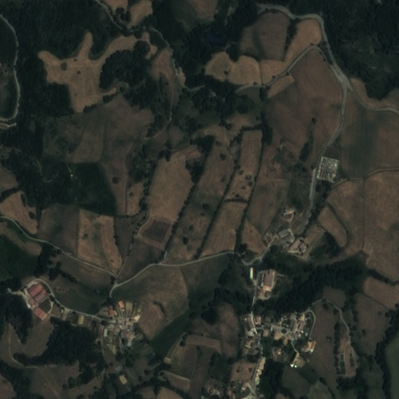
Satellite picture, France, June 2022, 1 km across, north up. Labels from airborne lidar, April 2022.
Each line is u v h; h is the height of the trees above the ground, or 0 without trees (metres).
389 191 0
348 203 0
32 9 14
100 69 0
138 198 0
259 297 0
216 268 0
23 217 0
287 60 0
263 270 10
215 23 9
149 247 0
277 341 7
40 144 10
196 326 0
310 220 9
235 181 0
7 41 8
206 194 0
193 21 0
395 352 0
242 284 0
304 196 0
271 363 19
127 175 0
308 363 0
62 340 16
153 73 0
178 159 0
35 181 6
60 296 0
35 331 0
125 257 0
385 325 0
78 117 0
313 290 15
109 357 0
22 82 7
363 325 0
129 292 0
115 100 0
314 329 0
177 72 0
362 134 0
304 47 0
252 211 0
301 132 0
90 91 0
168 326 0
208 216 0
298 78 0
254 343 0
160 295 0
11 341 0
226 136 0
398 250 0
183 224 0
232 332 0
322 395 0
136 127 0
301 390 0
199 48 19
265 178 0
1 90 0
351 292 14
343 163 0
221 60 0
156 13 14
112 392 0
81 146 0
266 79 0
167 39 13
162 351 0
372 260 0
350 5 8
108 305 8
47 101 12
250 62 0
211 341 0
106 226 0
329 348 0
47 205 8
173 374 0
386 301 0
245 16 16
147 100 15
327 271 14
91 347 7
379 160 0
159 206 0
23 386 14
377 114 0
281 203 0
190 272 0
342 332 0
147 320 0
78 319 0
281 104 0
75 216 0
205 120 0
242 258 10
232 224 0
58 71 0
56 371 0
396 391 0
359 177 0
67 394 0
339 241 0
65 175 8
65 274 13
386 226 0
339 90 0
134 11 0
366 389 14
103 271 0
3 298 16
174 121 10
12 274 8
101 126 0
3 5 17
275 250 20
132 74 12
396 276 0
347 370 0
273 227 0
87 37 0
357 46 0
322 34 0
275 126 0
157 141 0
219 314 0
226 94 11
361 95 0
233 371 0
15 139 10
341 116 0
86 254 0
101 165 0
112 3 0
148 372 14
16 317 17
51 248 8
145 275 0
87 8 11
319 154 0
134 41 0
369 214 0
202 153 6
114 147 0
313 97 0
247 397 0
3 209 0
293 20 11
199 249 12
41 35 14
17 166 8
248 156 0
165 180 0
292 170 0
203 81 12
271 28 0
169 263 0
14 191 11
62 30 11
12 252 0
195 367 0
